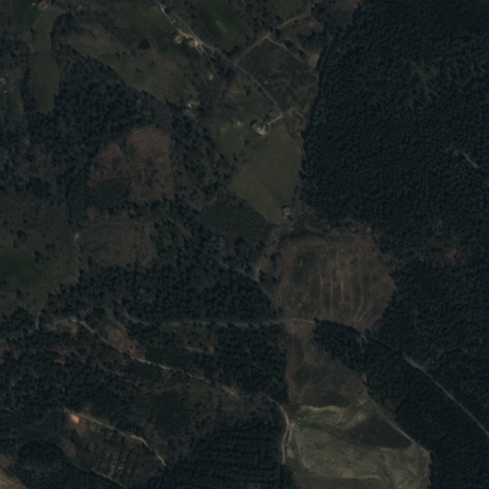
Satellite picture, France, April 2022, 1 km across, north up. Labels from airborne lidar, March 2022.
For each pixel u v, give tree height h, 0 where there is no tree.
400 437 0
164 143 0
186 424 7
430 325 20
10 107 12
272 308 17
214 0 0
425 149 27
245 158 0
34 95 18
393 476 0
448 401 18
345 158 25
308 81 0
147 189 0
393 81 29
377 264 0
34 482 24
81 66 15
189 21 14
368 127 29
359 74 31
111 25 12
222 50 11
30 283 0
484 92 16
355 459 0
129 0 13
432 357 23
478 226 26
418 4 26
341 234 23
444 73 29
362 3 0
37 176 20
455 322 23
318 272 0
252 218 7
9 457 27
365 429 0
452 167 30
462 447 16
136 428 15
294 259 0
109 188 6
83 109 24
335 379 0
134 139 0
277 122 0
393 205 25
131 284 26
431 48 26
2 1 20
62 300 16
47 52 0
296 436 0
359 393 0
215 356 10
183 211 23
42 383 23
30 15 0
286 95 0
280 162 0
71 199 14
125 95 17
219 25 0
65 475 28
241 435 31
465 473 25
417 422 20
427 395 15
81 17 17
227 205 9
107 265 0
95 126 18
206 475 31
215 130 0
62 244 0
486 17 15
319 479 0
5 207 0
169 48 0
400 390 19
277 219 0
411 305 26
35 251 0
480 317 21
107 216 17
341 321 0
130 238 0
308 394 0
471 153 28
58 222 0
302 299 0
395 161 27
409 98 28
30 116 20
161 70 0
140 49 0
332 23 11
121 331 0
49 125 12
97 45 0
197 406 9
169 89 0
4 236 0
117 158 0
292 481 15
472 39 7
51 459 36
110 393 26
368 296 0
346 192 25
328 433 0
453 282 16
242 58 0
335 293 0
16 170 6
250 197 0
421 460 0
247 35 0
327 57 14
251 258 12
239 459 27
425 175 23
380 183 20
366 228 20
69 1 0
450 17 14
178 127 17
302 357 0
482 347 12
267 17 16
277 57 0
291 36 0
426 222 24
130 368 9
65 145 24
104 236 0
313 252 0
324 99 17
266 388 20
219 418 10
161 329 20
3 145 15
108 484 24
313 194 17
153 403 7
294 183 0
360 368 23
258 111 0
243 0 0
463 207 23
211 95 8
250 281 10
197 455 23
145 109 13
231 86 19
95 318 23
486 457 15
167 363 8
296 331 0
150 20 0
